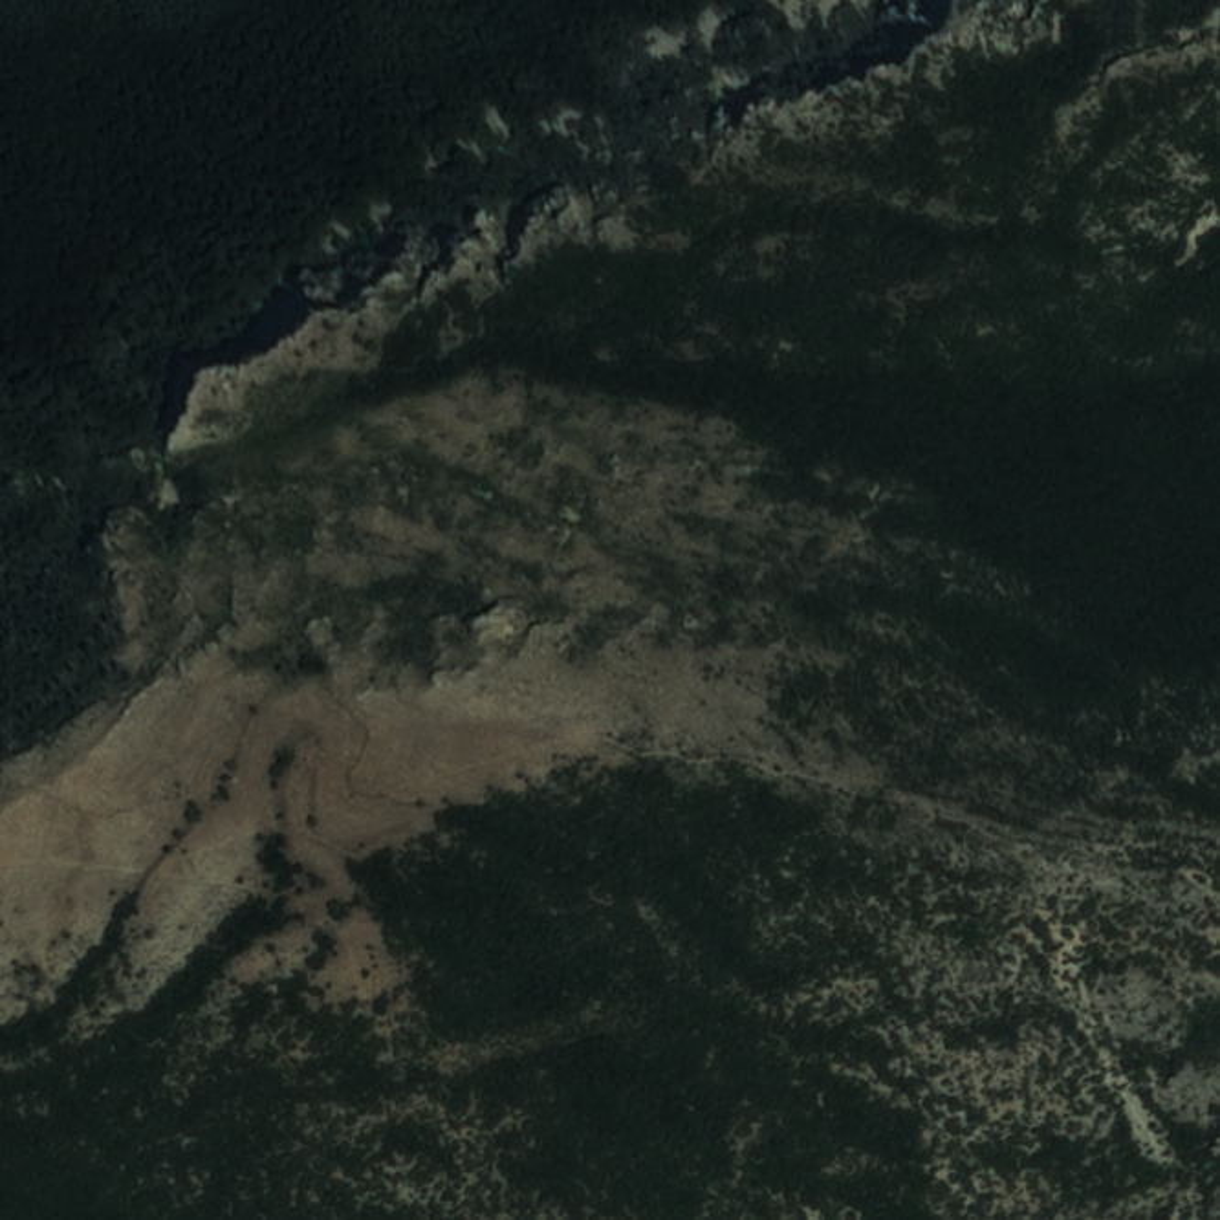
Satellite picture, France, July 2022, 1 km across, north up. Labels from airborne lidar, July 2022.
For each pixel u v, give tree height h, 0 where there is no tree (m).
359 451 0
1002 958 6
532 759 0
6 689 7
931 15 0
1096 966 7
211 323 7
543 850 6
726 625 6
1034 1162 7
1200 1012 6
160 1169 5
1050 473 8
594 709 0
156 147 22
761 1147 6
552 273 6
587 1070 7
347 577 0
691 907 7
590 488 0
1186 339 6
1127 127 6
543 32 16
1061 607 7
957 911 6
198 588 0
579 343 8
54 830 0
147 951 0
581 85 9
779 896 6
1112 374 7
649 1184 9
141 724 0
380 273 5
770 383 10
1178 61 0
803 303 6
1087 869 0
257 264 17
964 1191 7
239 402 0
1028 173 6
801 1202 8
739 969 11
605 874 8
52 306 24
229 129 23
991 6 6
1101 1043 8
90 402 14
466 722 0
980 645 7
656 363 7
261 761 0
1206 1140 7
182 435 0
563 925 6
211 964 6
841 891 6
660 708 0
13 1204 6
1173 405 11
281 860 10
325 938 6
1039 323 7
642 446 0
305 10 19
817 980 6
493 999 6
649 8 9
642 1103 7
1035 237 7
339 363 0
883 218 8
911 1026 6
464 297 7
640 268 7
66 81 19
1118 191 6
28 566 8
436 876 8
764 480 5
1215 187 8
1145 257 8
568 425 0
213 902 0
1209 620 7
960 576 6
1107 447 7
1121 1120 9
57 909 0
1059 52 9
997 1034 7
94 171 22
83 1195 6
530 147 6
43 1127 6
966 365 6
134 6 17
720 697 0
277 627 0
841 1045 6
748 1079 6
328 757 0
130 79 20
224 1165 6
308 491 0
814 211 8
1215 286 12
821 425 8
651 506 0
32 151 23
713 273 7
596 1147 5
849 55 11
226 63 21
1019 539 8
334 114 19
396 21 13
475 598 6
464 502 0
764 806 6
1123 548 8
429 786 0
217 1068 6
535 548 0
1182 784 6
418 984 7
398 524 0
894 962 6
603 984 9
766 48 10
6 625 14
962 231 6
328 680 0
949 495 8
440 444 0
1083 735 6
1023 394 8
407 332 7
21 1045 6
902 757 6
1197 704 6
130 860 0
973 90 6
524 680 0
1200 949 8
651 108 7
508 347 7
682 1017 8
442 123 21
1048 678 7
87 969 7
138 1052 6
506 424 0
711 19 0
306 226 20
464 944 6
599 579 0
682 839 7
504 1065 6
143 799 0
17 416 14
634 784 6
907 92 6
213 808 0
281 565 0
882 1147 8
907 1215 7
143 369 12
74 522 6
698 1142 7
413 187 9
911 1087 7
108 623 10
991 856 0
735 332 6
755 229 7
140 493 8
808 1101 7
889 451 8
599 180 6
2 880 0
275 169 22
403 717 0
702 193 6
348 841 0
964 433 9
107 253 22
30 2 11
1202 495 6
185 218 22
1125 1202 11
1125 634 9
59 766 0
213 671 0
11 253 29
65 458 8
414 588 7
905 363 6
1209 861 6
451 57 10
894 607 7
